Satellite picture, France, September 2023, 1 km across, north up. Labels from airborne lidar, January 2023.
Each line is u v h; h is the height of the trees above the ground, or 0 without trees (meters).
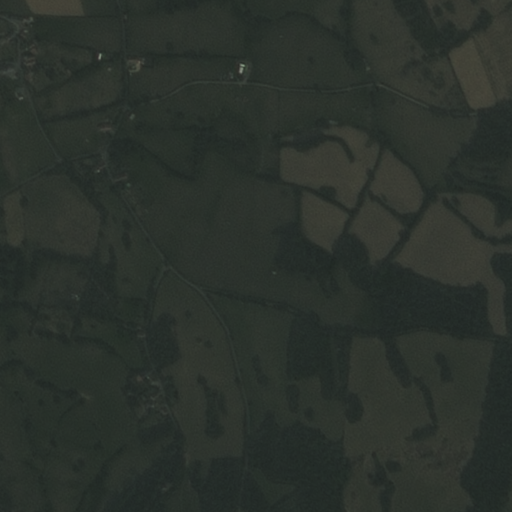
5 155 0
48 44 0
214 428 9
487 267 0
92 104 0
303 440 12
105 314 12
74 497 0
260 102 0
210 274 0
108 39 0
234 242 0
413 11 0
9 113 0
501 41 0
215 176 0
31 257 0
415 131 0
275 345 0
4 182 0
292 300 0
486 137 16
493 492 19
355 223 0
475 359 0
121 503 13
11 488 0
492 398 14
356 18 0
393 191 0
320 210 0
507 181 0
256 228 0
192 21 0
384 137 10
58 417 0
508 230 0
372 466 0
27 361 0
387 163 0
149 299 12
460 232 0
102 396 0
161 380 11
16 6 0
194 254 0
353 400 13
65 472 0
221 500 7
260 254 0
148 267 0
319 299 0
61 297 0
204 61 12
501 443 16
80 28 0
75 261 12
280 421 0
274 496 0
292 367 13
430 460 0
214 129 6
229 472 8
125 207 7
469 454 0
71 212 0
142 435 10
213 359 0
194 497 0
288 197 0
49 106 0
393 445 0
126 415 0
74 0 0
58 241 0
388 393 0
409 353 0
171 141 0
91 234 0
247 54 0
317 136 14
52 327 0
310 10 0
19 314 0
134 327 11
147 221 0
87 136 0
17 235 0
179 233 0
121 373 0
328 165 0
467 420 0
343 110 0
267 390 0
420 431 10
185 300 0
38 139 0
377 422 0
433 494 0
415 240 0
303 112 0
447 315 12
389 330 9
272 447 6
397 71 0
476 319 12
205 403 0
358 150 0
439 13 14
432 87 0
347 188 0
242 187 0
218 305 0
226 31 0
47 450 0
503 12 0
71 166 6
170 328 12
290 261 17
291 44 0
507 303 14
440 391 0
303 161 0
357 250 20
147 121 0
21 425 0
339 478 20
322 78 0
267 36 0
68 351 0
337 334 11
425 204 6
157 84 0
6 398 0
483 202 0
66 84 0
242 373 8
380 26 0
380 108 0
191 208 0
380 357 0
